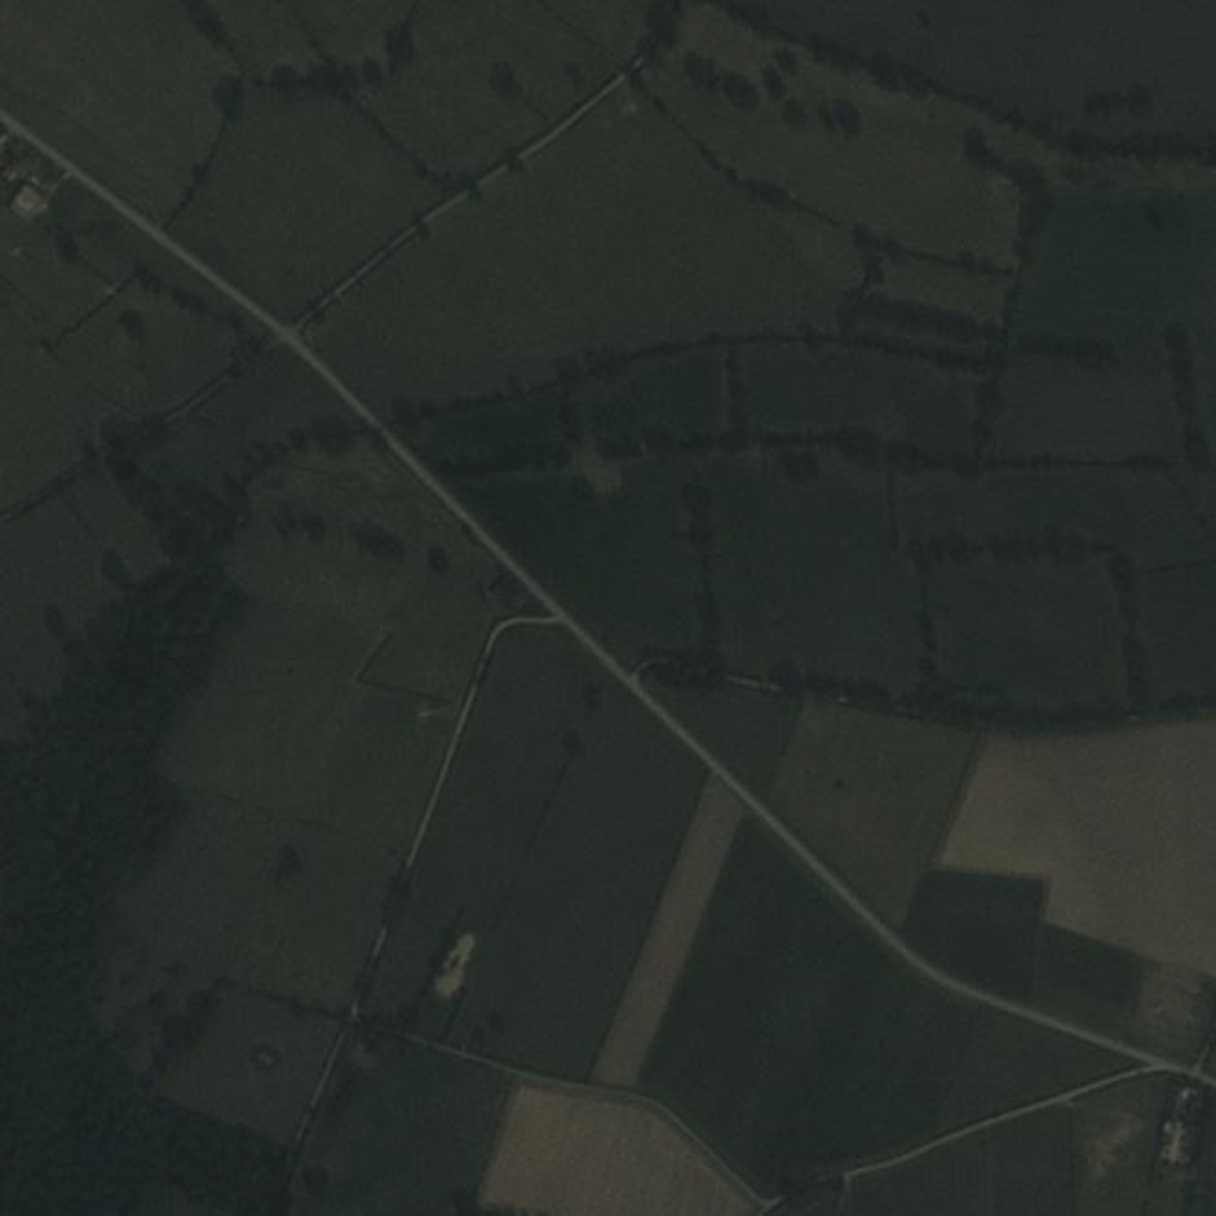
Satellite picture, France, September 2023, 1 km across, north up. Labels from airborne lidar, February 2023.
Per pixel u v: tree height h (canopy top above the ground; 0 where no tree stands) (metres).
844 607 0
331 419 0
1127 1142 0
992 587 0
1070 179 0
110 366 0
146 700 25
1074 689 0
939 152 0
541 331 0
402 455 0
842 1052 0
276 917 0
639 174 0
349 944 0
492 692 0
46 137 0
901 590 0
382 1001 0
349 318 0
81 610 0
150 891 0
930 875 0
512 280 0
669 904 0
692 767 0
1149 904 0
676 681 11
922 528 0
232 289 0
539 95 0
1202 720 0
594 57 0
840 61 15
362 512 0
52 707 12
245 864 0
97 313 0
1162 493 0
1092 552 6
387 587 0
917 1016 0
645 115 0
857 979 0
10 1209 24
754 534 0
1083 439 0
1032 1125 0
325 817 0
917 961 0
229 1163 17
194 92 0
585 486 13
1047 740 0
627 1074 0
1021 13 0
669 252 0
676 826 0
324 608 0
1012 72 0
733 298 0
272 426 0
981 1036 0
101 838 25
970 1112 0
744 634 0
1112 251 0
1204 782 0
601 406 0
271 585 0
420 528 0
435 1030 0
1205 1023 0
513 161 15
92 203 0
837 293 0
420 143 0
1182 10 0
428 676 0
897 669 0
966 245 0
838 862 0
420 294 0
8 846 18
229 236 0
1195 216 0
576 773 0
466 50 0
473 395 0
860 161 0
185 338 0
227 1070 0
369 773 0
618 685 0
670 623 0
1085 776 0
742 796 0
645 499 0
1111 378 0
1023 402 0
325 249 0
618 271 0
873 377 0
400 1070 0
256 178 0
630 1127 0
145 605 23
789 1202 16
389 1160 0
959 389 0
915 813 0
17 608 0
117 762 23
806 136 0
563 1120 0
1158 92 0
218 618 17
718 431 0
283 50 0
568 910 0
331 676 0
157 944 0
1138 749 0
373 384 0
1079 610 0
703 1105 0
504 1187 0
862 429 0
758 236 0
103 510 0
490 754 0
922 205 0
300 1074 0
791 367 0
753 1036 0
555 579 0
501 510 0
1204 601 0
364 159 0
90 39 0
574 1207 0
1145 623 0
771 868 0
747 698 0
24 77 0
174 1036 19
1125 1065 0
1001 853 0
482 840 0
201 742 0
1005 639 0
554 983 0
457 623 0
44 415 0
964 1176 0
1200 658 0
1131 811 0
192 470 0
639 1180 0
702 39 0
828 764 0
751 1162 0
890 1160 0
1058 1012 0
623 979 0
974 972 0
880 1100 0
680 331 0
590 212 0
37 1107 22
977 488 0
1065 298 0
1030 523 0
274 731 0
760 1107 0
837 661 0
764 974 0
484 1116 0
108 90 0
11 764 14
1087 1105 0
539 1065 0
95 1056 22
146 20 0
